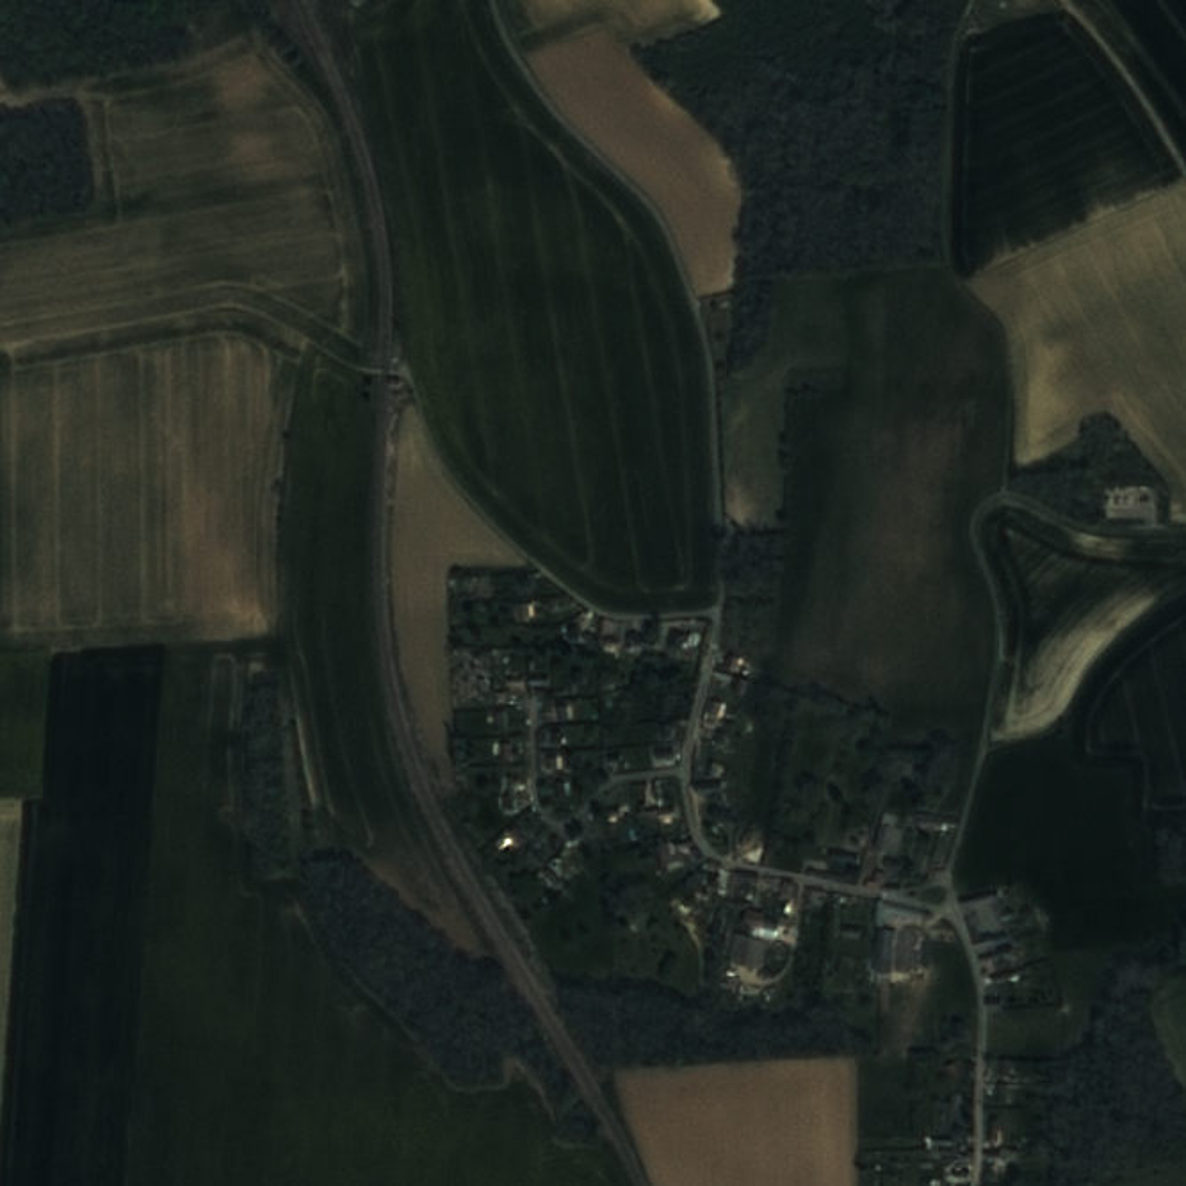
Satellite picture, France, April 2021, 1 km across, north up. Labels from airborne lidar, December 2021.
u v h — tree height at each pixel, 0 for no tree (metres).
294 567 0
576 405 0
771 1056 17
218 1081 0
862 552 0
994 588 0
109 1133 0
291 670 0
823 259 21
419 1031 15
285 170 0
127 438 0
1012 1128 0
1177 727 0
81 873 0
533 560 0
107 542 0
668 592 0
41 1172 0
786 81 7
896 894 0
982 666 0
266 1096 0
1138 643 0
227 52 0
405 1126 0
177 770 0
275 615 0
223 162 0
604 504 0
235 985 0
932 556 0
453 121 0
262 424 0
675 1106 0
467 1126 0
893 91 15
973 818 0
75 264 0
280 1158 0
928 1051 6
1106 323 0
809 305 0
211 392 0
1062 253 0
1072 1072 18
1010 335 0
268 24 16
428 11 0
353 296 0
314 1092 0
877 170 21
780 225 22
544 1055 17
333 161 0
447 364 0
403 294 0
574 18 0
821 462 0
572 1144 11
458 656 14
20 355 0
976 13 0
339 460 0
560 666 10
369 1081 0
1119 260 0
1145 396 0
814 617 0
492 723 0
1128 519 0
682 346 0
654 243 0
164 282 0
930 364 0
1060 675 0
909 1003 0
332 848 0
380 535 0
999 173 0
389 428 0
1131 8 0
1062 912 0
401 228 0
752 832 0
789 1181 0
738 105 19
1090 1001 0
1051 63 0
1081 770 0
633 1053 22
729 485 0
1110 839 0
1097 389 0
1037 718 0
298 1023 0
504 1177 0
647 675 17
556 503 0
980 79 0
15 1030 0
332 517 0
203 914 0
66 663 0
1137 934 0
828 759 0
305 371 0
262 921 0
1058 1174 10
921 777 18
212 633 0
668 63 9
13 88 22
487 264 0
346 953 19
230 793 0
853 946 0
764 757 0
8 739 0
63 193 26
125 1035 0
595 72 0
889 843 0
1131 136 0
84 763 0
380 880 13
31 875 0
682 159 0
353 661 0
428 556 0
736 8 6
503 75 0
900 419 0
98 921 0
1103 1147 10
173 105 0
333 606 0
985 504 0
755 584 18
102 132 0
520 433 0
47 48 23
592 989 18
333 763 0
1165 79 0
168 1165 0
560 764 0
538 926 0
